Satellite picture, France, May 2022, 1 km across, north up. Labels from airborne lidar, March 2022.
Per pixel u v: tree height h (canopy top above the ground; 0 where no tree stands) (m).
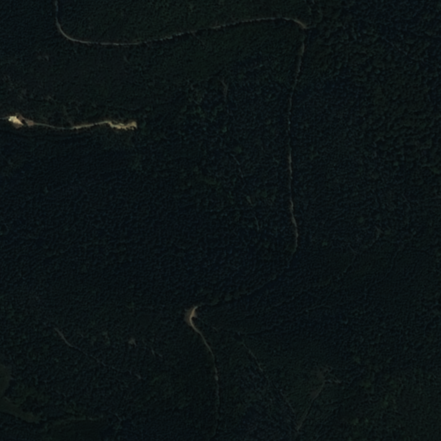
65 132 8
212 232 33
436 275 22
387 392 9
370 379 23
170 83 10
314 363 7
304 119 26
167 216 26
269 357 9
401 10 34
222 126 28
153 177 27
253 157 23
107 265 27
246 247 22
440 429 12
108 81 11
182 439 19
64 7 18
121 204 31
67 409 16
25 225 31
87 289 20
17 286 27
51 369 21
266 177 25
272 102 29
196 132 33
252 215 19
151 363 21
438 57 25
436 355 24
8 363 26
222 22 11
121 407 20
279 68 11
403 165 26
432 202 23
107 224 32
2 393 0
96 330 11
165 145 22
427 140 35
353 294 24
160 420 18
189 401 18
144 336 14
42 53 10
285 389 10
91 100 13
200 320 8
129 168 23
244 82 28
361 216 18
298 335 26
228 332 8
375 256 14
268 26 17
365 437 17
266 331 21
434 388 10
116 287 25
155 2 11
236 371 9
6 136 27
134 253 34
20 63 10
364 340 21
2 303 27
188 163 23
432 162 30
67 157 29
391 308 22
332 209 25
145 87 11
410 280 20
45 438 22
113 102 10
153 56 8
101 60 9
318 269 27
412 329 23
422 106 31
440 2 19
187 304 24
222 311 23
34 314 21
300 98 19
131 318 14
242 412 7
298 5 13
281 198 25
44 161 24
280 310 28
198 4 10
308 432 6
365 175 23
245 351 7
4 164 26
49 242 34
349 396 8
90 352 22
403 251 15
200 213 28
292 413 28
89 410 24
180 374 17
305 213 27
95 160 31
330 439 13
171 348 21
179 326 20
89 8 12
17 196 28
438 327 20
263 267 31
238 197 30
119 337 15
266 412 28
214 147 26
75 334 19
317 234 26
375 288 19
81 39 8
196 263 14
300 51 13
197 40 14
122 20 10
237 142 7
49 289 24
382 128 27
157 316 14
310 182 28
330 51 11
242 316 22
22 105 6
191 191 25
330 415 7
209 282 22
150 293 23
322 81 7
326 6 22
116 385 21
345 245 21
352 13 33
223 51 9
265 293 26
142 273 29
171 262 32
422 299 26
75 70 12
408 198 15
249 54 6
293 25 22
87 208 31
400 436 17
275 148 23
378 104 28
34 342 20
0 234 12
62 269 27
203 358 25
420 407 10
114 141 13
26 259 30
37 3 15
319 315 16
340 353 20
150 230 35
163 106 16
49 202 31
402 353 20
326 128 22
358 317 24
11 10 17
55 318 19
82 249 31
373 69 31
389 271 13
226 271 34
